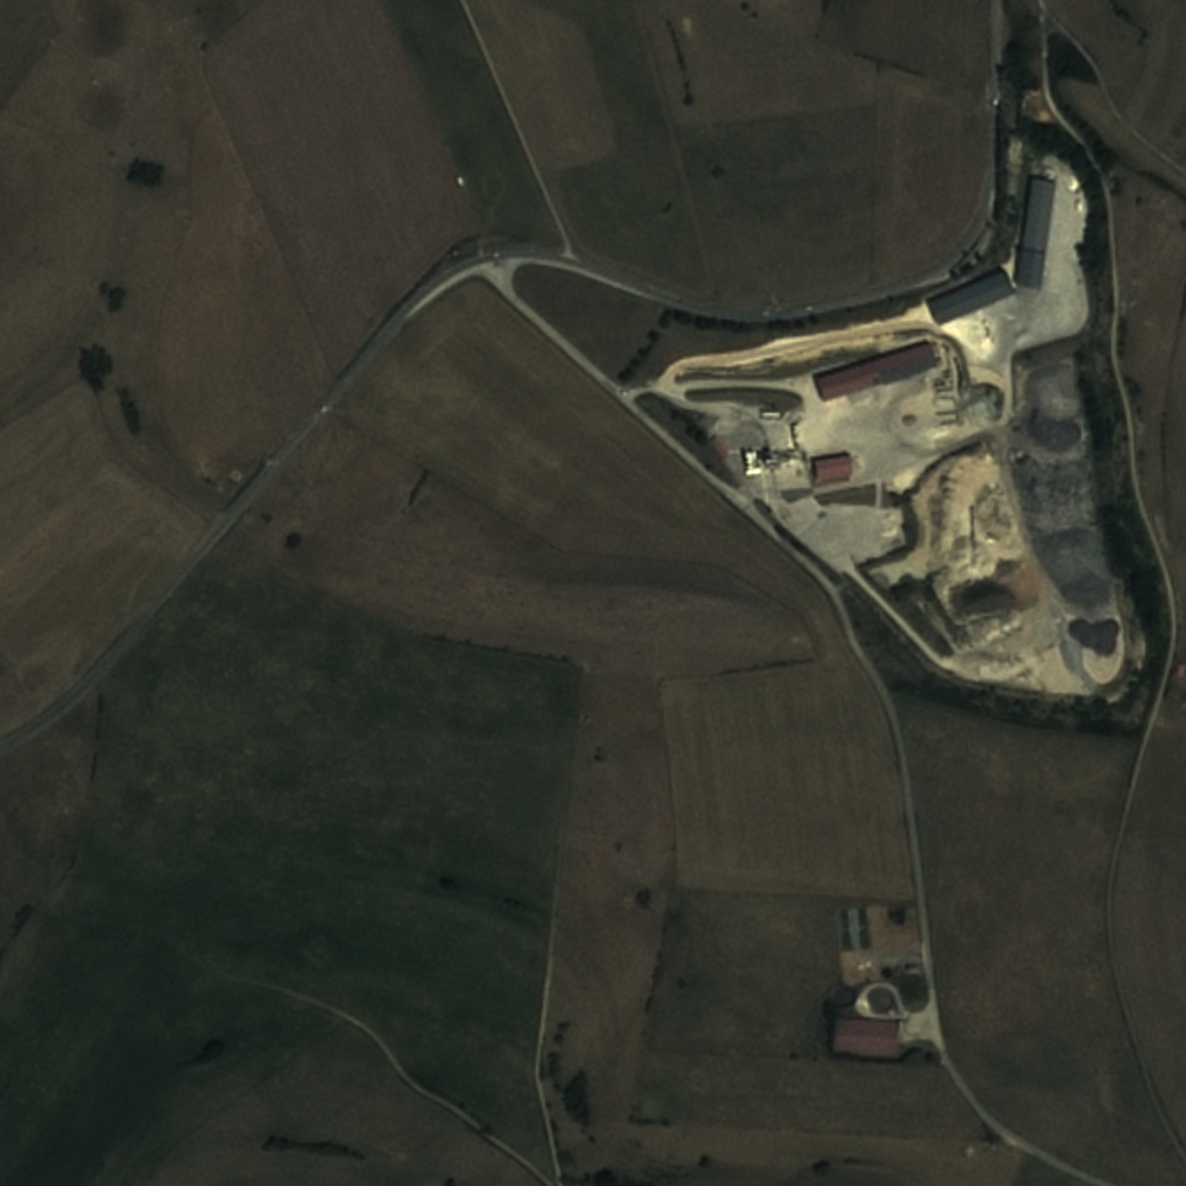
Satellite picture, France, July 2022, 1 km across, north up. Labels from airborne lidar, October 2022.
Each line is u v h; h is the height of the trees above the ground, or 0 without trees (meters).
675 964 0
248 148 0
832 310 0
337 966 0
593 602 0
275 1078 0
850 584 0
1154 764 0
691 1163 0
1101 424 9
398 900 0
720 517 0
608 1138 0
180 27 0
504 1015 0
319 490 0
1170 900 0
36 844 0
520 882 0
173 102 0
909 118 0
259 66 0
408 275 0
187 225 0
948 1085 0
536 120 0
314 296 0
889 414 0
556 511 0
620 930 0
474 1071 0
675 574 0
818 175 0
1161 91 0
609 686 0
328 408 0
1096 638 0
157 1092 0
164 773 0
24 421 0
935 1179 0
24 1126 0
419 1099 0
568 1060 0
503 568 0
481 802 0
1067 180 0
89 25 0
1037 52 0
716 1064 0
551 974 0
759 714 0
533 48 0
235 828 0
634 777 0
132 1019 0
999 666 0
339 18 0
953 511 0
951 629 0
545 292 0
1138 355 0
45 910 0
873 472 0
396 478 0
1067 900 0
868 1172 0
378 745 0
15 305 0
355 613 0
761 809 0
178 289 0
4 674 0
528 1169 0
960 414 0
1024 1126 0
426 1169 0
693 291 0
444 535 0
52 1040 0
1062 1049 0
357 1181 0
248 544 0
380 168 0
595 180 0
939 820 0
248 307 0
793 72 0
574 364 0
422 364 0
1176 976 0
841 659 0
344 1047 0
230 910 0
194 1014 0
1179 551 0
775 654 0
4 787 0
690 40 0
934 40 0
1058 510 0
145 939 0
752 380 0
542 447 0
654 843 0
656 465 0
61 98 0
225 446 0
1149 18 0
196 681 0
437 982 0
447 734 0
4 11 0
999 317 0
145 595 0
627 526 0
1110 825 0
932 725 0
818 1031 0
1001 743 0
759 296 0
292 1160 0
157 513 0
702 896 0
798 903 0
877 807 0
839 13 0
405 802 0
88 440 0
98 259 0
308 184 0
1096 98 0
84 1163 0
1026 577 0
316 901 0
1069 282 0
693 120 0
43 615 0
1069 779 0
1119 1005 0
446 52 0
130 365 0
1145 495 0
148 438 0
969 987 0
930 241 0
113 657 0
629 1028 0
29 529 0
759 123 0
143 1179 0
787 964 0
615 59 0
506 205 0
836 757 0
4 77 0
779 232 0
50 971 0
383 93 0
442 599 0
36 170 0
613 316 0
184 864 0
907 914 0
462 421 0
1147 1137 0
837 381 0
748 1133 0
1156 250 0
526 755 0
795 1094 0
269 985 0
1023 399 0
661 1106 0
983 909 0
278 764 0
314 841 0
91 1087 0
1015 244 0
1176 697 0
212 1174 0
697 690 0
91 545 0
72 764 0
